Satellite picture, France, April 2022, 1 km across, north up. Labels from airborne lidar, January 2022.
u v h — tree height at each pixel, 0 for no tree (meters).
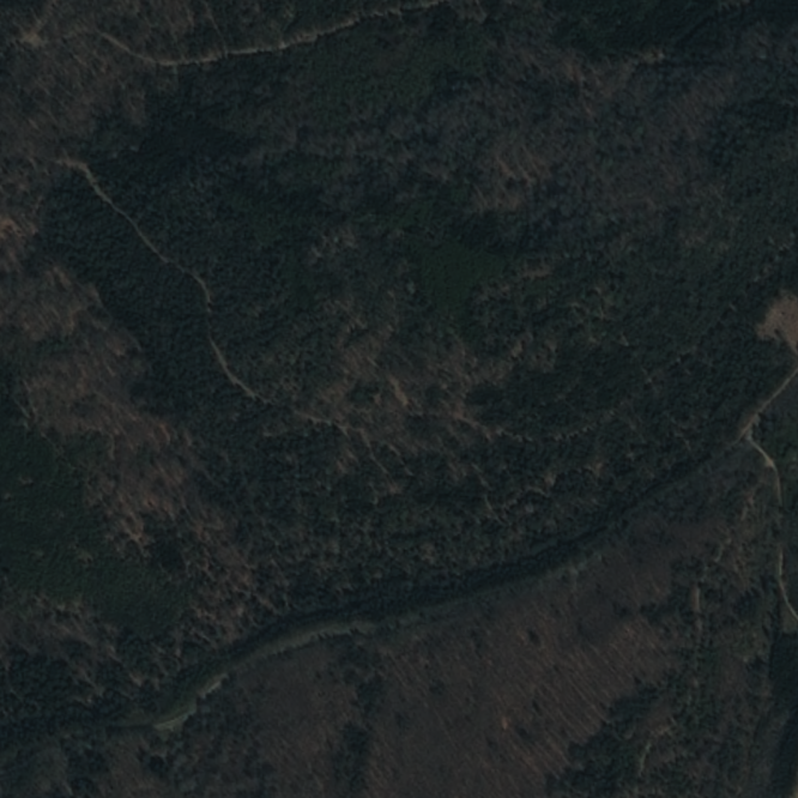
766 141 19
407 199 11
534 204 31
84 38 16
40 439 9
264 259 20
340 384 25
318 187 13
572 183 33
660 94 22
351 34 8
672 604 13
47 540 12
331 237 18
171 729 0
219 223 24
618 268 25
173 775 27
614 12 15
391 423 21
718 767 24
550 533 30
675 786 10
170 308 29
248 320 22
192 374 25
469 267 15
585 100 28
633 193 32
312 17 15
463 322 10
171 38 15
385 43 19
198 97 26
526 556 20
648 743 12
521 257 13
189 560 9
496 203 34
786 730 9
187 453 27
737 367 26
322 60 14
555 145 36
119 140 15
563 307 16
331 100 29
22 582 13
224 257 21
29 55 12
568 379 12
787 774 10
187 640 16
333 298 10
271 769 15
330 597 21
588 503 23
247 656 22
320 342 18
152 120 17
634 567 13
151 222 20
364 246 17
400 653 14
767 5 19
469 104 33
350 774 15
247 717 7
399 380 25
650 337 19
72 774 16
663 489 24
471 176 13
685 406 13
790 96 15
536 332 7
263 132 11
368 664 15
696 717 9
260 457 24
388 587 20
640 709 14
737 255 21
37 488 10
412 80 16
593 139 27
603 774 13
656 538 15
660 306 18
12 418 16
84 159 15
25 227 32
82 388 28
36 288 27
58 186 24
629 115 28
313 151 22
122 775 17
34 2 17
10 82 13
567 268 6
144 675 20
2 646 21
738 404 31
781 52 24
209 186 28
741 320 18
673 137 30
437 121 35
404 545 22
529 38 29
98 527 8
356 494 16
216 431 22
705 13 20
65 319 28
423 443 21
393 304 24
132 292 21
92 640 26
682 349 14
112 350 32
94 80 14
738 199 20
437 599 25
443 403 19
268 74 14
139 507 24
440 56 14
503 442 19
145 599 13
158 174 10
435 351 25
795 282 18
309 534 7
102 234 25
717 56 21
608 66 28
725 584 16
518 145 32
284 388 12
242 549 24
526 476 19
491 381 20
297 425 22
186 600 14
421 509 6
